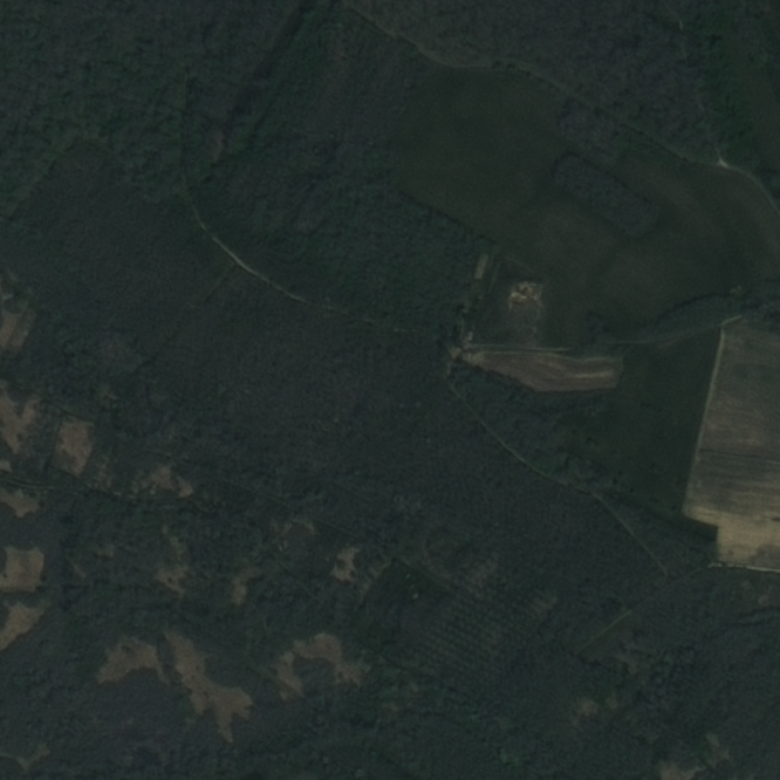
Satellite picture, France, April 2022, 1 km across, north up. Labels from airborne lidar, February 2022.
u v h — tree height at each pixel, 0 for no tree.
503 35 30
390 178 15
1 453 7
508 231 0
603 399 6
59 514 7
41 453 19
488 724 14
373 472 18
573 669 23
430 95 0
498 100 0
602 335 19
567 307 0
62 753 6
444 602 18
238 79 25
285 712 21
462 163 0
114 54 26
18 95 28
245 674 6
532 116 0
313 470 14
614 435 0
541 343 0
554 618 23
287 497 6
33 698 14
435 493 14
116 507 17
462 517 22
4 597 8
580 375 0
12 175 25
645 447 0
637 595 21
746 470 0
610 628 0
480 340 0
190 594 28
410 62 16
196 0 29
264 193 14
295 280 14
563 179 19
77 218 6
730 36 0
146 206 16
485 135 0
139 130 27
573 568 20
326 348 12
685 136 27
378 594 13
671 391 0
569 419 0
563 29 28
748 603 0
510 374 0
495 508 14
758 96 0
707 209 0
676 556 21
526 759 9
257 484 20
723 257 0
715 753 0
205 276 10
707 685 24
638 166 0
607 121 27
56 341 19
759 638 23
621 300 0
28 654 6
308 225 22
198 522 22
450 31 28
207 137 28
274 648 8
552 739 7
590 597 24
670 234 0
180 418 24
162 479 0
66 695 20
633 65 29
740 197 0
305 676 11
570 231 0
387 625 0
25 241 21
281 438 15
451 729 23
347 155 27
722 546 0
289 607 6
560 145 0
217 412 17
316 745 29
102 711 6
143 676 6
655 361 0
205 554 17
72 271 21
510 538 13
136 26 27
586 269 0
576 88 24
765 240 0
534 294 0
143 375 23
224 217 10
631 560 20
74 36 23
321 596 17
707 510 0
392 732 21
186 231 12
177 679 14
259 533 29
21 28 25
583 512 18
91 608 15
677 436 0
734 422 0
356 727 20
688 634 24
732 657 26
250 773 12
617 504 17
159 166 27
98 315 21
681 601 22
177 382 13
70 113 27
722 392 0
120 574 17
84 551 17
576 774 21
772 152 0
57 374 18
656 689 15
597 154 17
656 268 0
